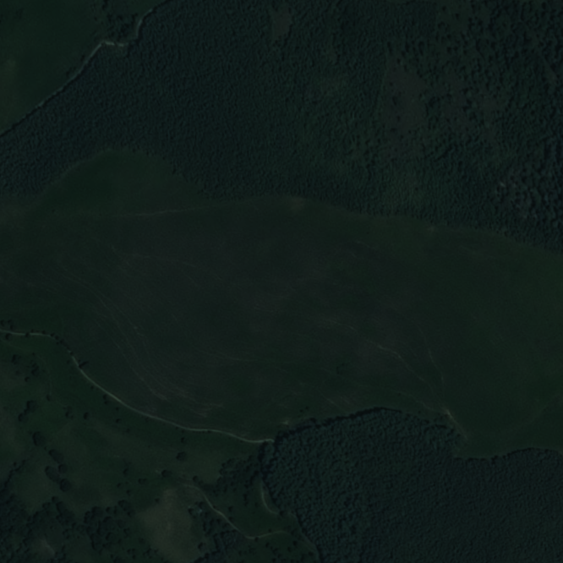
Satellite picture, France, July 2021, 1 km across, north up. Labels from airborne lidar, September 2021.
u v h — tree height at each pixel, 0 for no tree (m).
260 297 0
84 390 0
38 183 15
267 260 0
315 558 26
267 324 0
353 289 0
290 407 0
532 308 0
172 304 0
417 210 8
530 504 21
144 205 0
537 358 0
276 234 0
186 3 11
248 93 11
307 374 0
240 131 13
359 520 26
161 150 12
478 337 0
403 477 6
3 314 0
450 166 16
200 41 14
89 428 0
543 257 0
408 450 11
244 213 0
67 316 0
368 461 8
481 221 14
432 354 0
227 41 12
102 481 0
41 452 0
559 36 10
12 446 0
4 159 13
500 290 0
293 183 10
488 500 23
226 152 12
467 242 0
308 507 20
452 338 0
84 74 10
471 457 0
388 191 10
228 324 0
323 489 23
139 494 0
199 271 0
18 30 0
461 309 0
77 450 0
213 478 0
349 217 0
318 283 0
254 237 0
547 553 17
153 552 11
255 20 13
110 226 0
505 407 0
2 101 0
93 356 0
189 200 0
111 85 10
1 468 0
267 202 0
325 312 0
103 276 0
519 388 0
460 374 0
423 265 0
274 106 16
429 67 8
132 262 0
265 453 31
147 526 0
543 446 0
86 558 0
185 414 0
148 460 0
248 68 17
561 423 0
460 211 9
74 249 0
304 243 0
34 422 0
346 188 9
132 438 0
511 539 19
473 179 14
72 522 18
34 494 0
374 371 0
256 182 7
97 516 20
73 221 0
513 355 0
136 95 14
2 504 15
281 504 25
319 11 15
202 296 0
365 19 20
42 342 0
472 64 9
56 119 11
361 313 0
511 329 0
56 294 0
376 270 0
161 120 15
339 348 0
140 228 0
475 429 0
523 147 18
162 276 0
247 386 0
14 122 0
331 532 31
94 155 12
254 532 0
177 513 0
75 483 0
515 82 15
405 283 0
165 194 0
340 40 20
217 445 0
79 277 0
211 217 0
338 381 0
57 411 0
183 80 12
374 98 18
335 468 23
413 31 11
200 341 0
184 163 13
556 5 14
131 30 16
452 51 20
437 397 0
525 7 14
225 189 8
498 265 0
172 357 0
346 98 13
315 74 12
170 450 0
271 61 16
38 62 0
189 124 18
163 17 13
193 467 0
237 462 16
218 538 20
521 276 0
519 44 19
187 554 0
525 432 0
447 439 29
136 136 16
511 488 23
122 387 0
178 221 0
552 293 0
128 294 0
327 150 12
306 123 8
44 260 0
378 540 10
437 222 11
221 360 0
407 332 0
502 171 12
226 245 0
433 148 12
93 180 0
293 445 29
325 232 0
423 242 0
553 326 0
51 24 0
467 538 17
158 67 17
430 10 14
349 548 29
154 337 0
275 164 8
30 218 0
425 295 0
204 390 0
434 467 13
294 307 0
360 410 0
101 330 0
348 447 13
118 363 0
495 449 0
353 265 0
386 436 16
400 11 15
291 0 17
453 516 22
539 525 17
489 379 0
